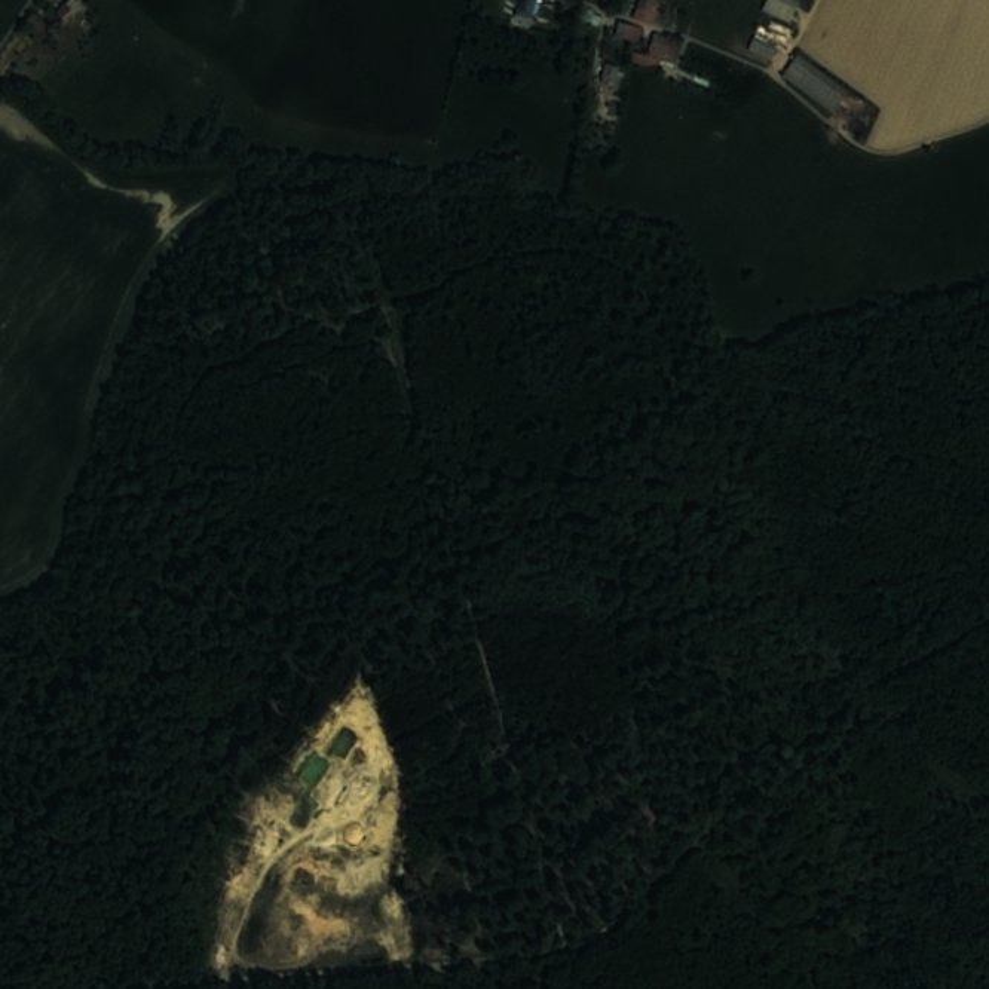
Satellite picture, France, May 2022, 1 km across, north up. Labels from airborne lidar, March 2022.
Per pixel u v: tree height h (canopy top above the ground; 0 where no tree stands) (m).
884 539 16
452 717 14
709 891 10
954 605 23
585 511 30
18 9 0
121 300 0
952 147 0
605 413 30
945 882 24
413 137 0
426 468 13
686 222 0
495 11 0
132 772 30
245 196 15
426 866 0
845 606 15
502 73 13
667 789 20
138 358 25
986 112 0
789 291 0
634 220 17
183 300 17
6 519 0
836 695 14
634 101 0
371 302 19
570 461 30
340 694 0
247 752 27
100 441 19
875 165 0
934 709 20
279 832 0
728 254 0
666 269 21
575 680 11
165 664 26
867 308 20
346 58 0
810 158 0
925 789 19
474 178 25
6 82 13
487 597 24
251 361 12
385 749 0
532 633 9
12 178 0
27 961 29
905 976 25
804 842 17
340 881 0
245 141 18
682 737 30
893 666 13
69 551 20
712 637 34
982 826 19
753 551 30
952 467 22
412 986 19
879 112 0
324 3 0
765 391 21
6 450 0
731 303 0
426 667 28
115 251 0
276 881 0
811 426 20
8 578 0
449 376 14
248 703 26
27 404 0
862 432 23
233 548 29
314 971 0
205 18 0
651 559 27
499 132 0
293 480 15
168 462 14
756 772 30
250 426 14
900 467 21
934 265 0
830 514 18
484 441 22
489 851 31
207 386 11
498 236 11
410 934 0
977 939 23
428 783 13
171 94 0
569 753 28
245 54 0
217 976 0
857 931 0
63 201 0
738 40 0
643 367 23
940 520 18
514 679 11
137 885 31
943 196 0
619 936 16
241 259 27
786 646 30
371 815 0
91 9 9
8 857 30
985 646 22
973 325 27
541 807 26
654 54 0
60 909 31
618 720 26
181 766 34
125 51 0
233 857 0
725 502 27
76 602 27
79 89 0
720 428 31
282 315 28
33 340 0
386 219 26
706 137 0
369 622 27
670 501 34
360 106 0
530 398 20
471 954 0
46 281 0
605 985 17
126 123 0
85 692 30
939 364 24
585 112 14
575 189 15
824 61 0
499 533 29
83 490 12
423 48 0
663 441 33
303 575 26
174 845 30
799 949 14
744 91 0
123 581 28
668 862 25
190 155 22
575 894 25
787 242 0
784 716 0
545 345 24
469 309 11
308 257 27
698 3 0
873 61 0
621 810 31
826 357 22
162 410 21
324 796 0
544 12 0
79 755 28
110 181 0
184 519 26
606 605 29
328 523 12
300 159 19
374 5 0
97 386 0
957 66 0
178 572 9
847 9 0
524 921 30
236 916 0
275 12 0
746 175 0
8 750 31
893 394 23
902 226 0
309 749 0
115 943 30
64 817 33
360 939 0
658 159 0
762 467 19
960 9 0
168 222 0
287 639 28
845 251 0
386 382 14
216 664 29
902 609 18
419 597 26
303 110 0
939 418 20
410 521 9
